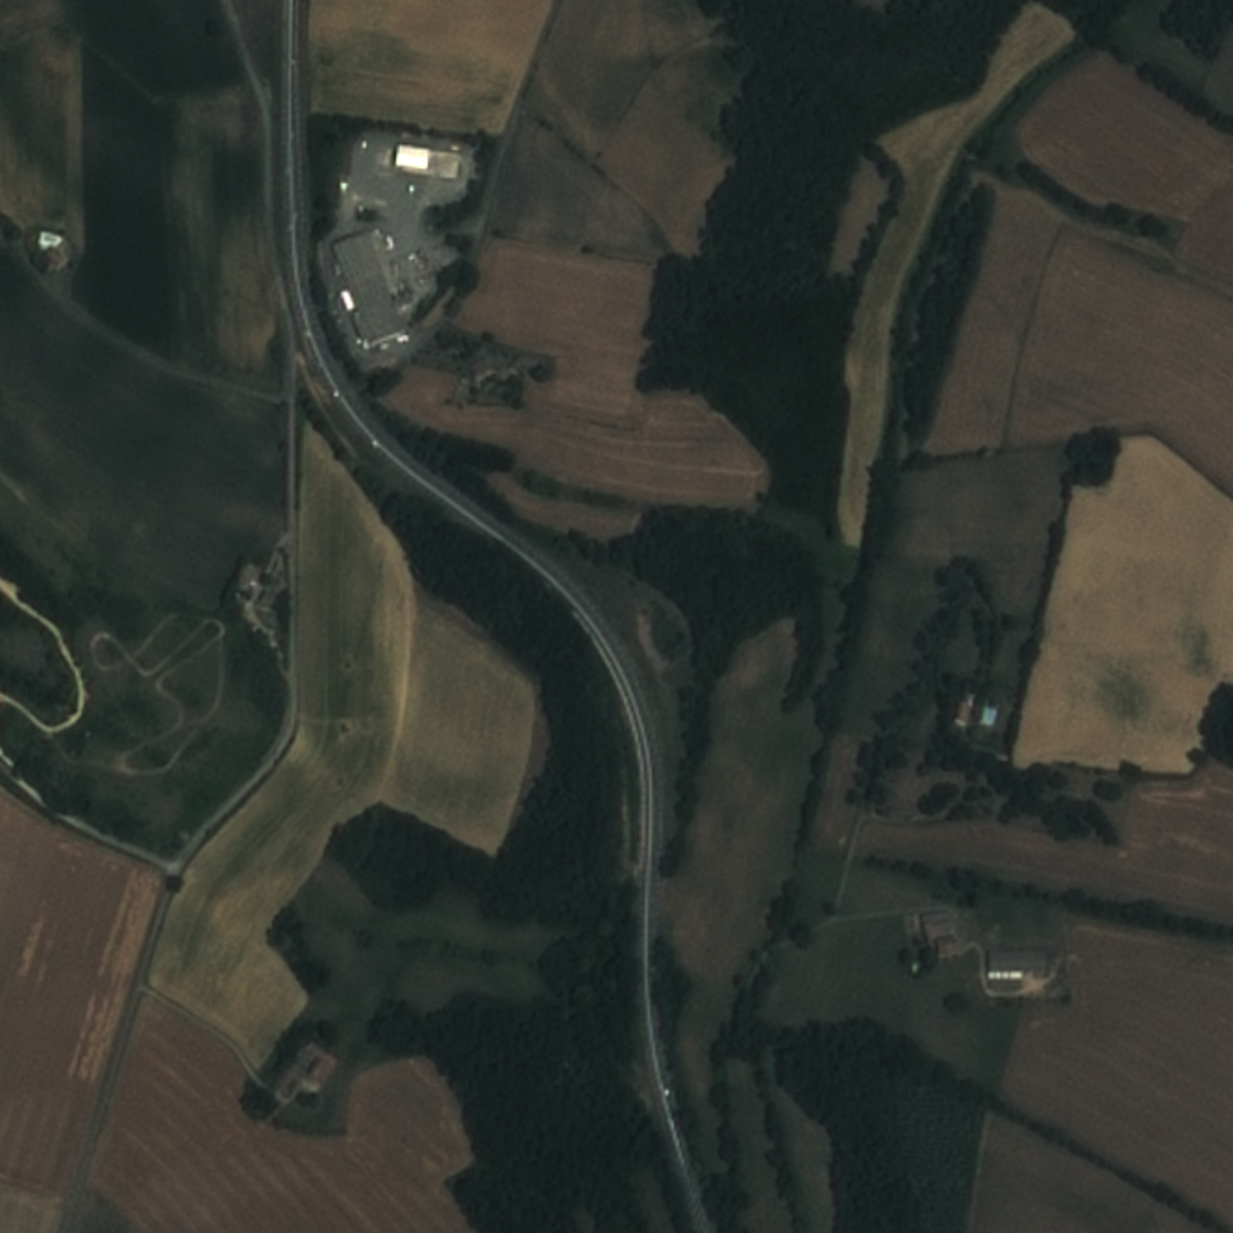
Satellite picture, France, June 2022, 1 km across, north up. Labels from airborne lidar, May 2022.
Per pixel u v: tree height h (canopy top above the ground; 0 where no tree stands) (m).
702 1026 0
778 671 0
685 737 9
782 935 8
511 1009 8
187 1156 0
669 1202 8
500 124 0
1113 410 0
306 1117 0
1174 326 0
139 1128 0
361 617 0
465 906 0
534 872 8
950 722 11
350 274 0
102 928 0
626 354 0
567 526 0
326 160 0
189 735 0
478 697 0
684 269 20
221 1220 0
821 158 20
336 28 0
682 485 0
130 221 0
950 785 9
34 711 0
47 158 0
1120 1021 0
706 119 0
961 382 0
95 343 0
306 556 0
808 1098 15
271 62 0
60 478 0
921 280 8
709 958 0
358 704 0
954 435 0
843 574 0
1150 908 18
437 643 0
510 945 0
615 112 0
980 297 0
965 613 26
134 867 0
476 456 34
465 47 0
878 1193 12
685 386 15
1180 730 0
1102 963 0
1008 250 0
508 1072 14
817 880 0
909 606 0
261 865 0
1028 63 0
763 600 15
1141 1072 0
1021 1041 0
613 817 10
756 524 22
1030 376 0
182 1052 0
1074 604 0
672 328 17
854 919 0
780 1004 0
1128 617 0
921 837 0
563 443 0
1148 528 0
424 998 0
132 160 0
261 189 0
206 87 0
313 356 0
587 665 11
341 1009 0
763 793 0
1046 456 0
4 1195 0
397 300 0
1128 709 0
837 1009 0
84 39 0
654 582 17
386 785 0
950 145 0
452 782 0
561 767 11
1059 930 0
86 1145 0
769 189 19
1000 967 0
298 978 6
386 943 0
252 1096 7
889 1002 0
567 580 0
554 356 0
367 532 0
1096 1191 0
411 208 0
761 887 0
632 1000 20
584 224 0
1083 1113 0
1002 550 0
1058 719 0
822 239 15
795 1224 9
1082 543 0
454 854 17
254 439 0
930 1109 11
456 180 0
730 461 0
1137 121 0
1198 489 0
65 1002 0
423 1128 0
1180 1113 0
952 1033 0
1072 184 0
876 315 0
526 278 0
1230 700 20
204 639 0
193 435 0
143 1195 0
